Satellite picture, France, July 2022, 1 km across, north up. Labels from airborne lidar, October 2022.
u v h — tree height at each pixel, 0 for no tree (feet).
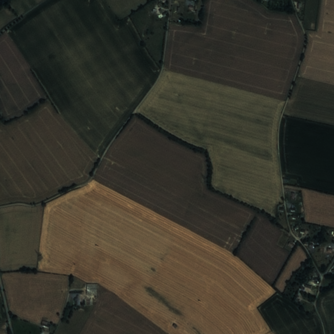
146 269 0
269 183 0
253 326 0
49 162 0
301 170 0
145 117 32
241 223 0
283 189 0
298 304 27
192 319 0
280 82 0
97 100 0
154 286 0
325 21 0
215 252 0
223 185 0
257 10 0
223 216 0
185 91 0
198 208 0
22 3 0
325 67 0
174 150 0
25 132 0
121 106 0
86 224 0
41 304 0
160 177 0
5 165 0
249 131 0
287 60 0
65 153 0
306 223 22
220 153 0
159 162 0
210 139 0
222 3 0
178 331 0
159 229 0
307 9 0
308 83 0
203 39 0
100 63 0
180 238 0
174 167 0
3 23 0
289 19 0
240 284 0
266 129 0
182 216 0
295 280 24
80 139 0
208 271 0
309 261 41
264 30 0
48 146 0
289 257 22
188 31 0
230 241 0
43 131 0
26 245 0
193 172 0
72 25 0
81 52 0
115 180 0
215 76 0
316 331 0
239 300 0
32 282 0
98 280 0
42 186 0
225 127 0
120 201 0
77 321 0
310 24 0
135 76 0
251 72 0
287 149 0
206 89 0
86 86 0
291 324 0
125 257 0
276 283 28
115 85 0
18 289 0
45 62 0
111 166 0
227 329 0
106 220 0
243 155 0
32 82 0
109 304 0
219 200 0
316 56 0
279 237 0
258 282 0
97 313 0
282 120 0
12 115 0
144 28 0
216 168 0
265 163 0
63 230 0
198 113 0
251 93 0
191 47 0
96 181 0
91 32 0
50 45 0
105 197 0
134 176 0
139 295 0
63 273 0
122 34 0
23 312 0
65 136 0
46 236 0
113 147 0
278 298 0
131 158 0
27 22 0
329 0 0
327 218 0
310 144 0
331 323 0
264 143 0
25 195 0
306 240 36
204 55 0
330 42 0
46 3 0
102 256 0
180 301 0
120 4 0
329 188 0
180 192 0
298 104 0
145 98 0
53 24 0
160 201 0
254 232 0
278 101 0
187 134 0
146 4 19
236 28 0
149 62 0
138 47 0
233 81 0
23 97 0
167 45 0
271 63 0
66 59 0
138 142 0
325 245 0
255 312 0
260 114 0
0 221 0
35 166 0
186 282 0
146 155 0
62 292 0
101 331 0
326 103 0
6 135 0
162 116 0
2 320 0
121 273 0
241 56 0
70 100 0
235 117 0
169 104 0
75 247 0
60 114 0
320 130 0
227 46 0
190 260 0
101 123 0
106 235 0
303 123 0
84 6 0
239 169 0
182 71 0
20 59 0
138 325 0
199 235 0
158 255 0
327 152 0
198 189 0
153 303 0
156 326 0
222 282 0
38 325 0
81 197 0
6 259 0
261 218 0
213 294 0
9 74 0
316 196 0
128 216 0
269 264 0
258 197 0
